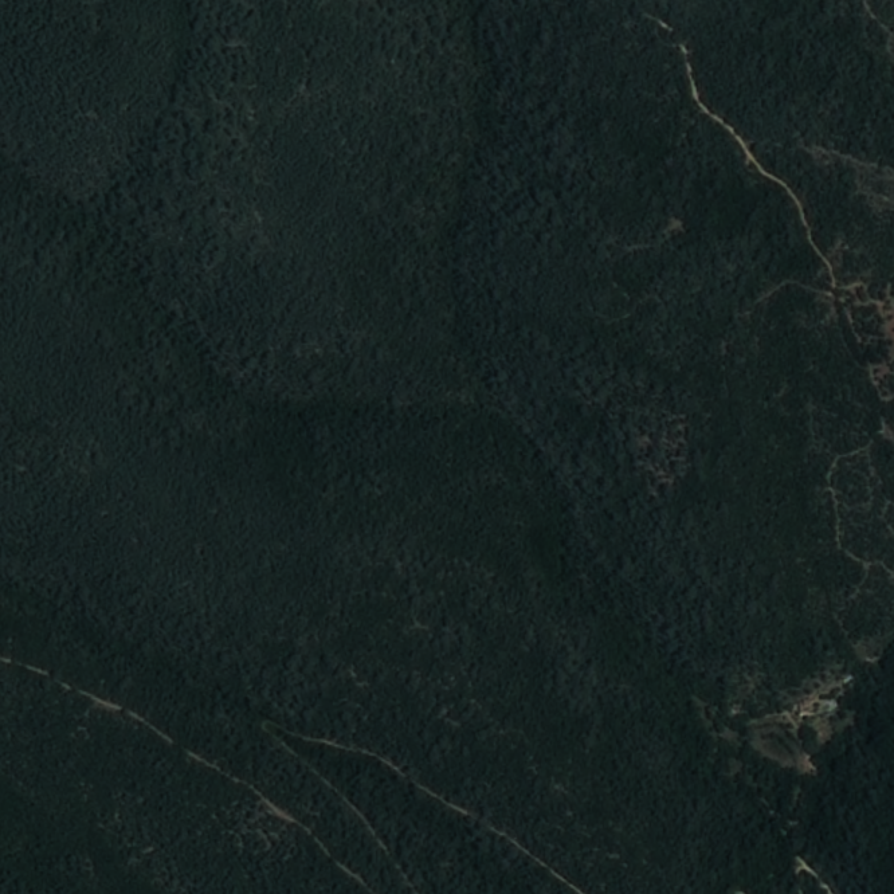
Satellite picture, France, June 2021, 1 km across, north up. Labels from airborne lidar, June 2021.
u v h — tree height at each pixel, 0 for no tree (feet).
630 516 50
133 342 21
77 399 39
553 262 34
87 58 40
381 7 49
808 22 61
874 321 21
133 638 25
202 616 48
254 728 59
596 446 21
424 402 44
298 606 31
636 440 49
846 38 52
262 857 22
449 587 21
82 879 22
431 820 45
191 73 58
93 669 26
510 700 22
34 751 22
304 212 36
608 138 36
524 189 27
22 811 32
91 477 31
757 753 25
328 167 50
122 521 45
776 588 58
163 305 63
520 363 24
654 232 32
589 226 46
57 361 40
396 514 27
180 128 51
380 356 62
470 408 40
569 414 30
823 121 19
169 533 32
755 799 49
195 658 27
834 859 60
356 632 20
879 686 53
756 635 30
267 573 24
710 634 18
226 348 64
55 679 45
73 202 65
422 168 59
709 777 60
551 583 23
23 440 40
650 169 23
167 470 34
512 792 21
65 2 35
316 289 39
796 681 34
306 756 30
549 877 28
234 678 28
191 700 25
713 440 26
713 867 51
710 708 27
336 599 36
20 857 26
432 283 62
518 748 21
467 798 20
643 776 32
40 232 47
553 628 35
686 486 22
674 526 33
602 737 52
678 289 42
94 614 47
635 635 21
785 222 48
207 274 40
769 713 26
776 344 19
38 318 36
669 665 35
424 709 30
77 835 23
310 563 39
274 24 38
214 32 25
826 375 19
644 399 20
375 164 25
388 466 27
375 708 43
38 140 39
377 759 47
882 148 31
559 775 19
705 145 41
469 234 50
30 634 31
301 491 33
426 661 19
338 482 40
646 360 18
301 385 24
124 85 55
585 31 41
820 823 53
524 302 42
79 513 34
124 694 19
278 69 32
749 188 31
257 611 34
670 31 25
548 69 21
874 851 30
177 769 24
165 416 29
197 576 33
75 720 19
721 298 44
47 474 28
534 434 37
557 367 38
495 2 53
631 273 22
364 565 41
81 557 43
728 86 26
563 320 35
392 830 66
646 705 46
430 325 50
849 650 25
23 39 40
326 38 28
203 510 40
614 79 37
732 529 27
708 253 53
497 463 54
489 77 38
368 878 45
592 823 23
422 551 17
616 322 20
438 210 54
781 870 60
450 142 24
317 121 28
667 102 41
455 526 41
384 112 23
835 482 34
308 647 18
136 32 36
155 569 26
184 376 46
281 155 35
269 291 46
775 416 22
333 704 22
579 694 69
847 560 20
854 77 47
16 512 48
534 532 41
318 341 57
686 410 31
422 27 46
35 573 31
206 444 43
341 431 28
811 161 25
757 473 22
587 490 64
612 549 32
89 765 27
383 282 30
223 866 27
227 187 24
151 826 20
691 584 23
